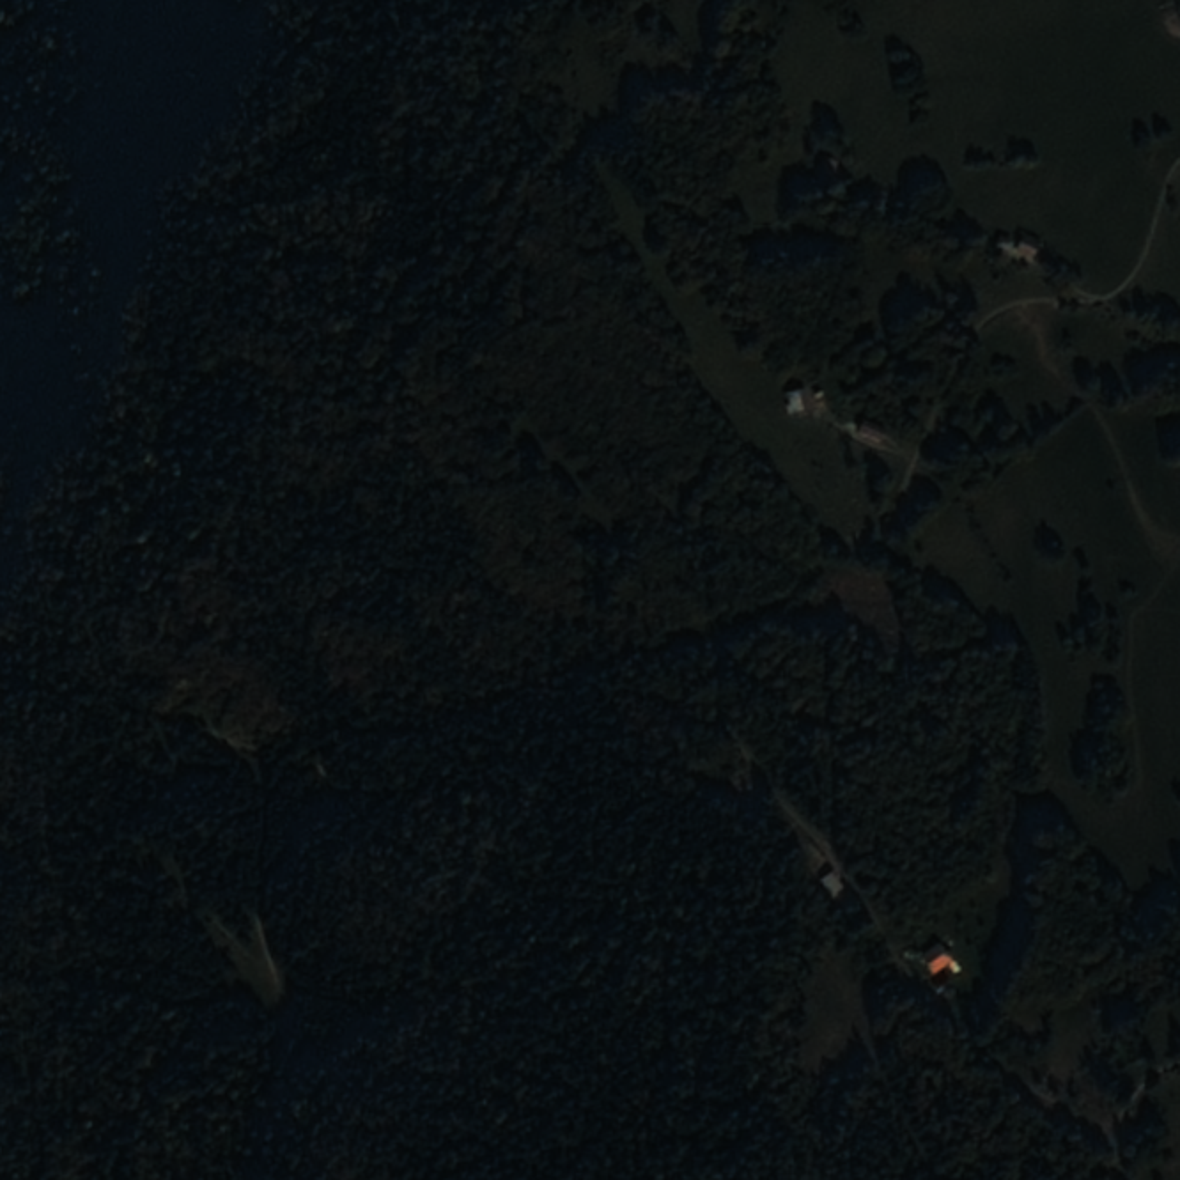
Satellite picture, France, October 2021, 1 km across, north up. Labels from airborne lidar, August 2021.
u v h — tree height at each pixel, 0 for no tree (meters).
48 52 18
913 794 22
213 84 25
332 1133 17
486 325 20
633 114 20
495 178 18
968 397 22
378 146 17
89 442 18
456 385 16
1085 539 0
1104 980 22
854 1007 0
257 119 12
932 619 22
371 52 18
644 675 23
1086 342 0
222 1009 15
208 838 14
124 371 16
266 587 8
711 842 19
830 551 18
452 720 18
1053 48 0
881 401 20
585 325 15
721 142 20
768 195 0
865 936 18
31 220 27
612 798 20
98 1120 12
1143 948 26
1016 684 15
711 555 13
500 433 18
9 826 19
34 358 28
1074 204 0
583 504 19
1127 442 0
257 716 16
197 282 22
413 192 20
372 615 21
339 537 23
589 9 15
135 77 25
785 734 17
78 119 18
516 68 22
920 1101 20
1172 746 0
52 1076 21
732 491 16
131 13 26
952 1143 21
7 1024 16
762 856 16
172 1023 18
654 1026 18
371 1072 22
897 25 0
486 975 26
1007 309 0
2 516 19
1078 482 0
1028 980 23
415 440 16
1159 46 0
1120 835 0
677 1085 28
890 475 12
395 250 17
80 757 7
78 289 26
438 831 19
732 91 21
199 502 27
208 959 18
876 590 23
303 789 12
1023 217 0
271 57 31
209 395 32
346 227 16
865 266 7
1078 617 0
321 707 22
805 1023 12
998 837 20
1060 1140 14
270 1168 29
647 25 11
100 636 7
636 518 15
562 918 23
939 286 0
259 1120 12
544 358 15
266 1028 14
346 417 13
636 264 21
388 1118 21
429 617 16
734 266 25
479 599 17
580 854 18
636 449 14
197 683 15
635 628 17
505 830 23
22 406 35
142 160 25
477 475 17
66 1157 17
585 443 18
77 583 17
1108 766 19
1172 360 19
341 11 23
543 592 19
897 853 23
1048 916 26
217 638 15
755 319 26
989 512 0
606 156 18
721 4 21
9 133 33
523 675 14
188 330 30
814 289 30
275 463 15
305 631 15
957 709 21
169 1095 18
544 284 20
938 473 12
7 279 33
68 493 20
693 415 19
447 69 24
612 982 15
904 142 0
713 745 18
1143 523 0
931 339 26
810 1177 31
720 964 15
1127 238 0
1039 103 0
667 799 22
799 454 0
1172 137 7
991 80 0
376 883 17
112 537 22
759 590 14
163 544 17
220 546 15
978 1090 19
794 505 22
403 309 21
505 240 12
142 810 14
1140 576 0
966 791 10
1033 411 0
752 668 15
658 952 18
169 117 29
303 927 24
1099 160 0
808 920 20
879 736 21
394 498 17
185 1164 18
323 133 20
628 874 15
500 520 21
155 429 16
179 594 25
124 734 17
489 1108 24
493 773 21
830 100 0
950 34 0
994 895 0
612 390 12
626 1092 20
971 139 0
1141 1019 18
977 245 14
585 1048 23
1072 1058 0
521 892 8
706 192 20
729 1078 14
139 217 20
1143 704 0
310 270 22
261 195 14
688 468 15
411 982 22
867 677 22
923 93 12
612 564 19
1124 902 15
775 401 0
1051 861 29
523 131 18
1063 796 0
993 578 0
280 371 13
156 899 24
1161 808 0
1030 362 0
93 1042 17
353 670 12
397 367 25
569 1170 13
